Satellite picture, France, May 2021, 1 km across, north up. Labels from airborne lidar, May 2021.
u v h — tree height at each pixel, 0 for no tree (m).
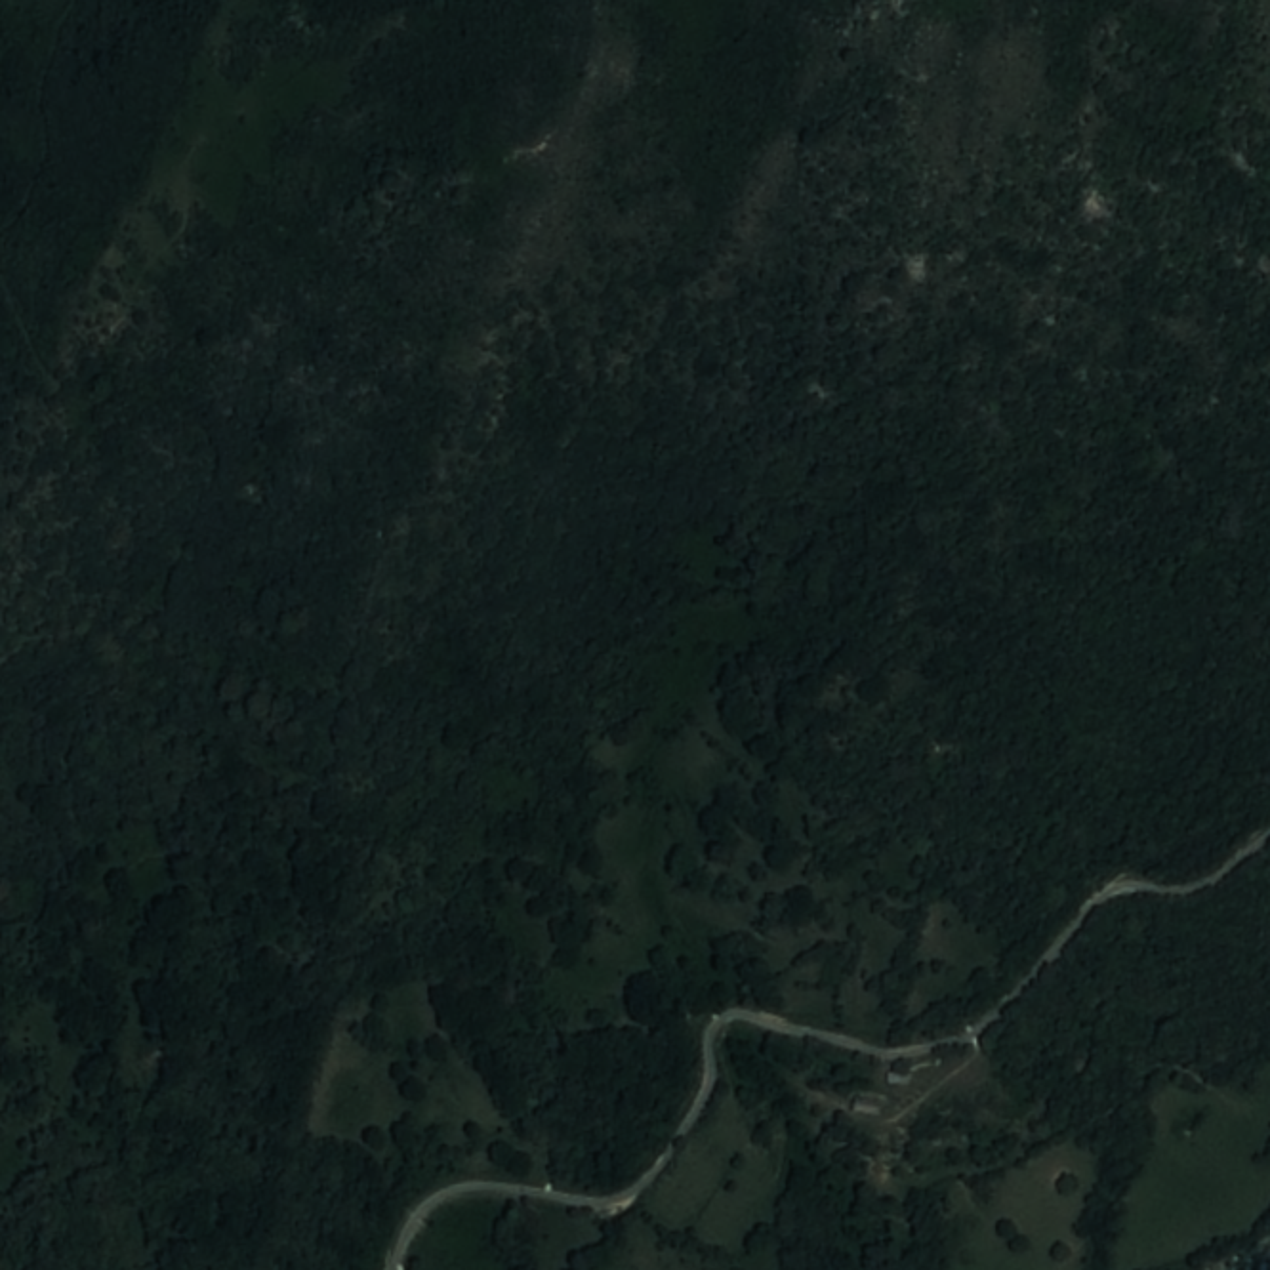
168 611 7
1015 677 10
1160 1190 0
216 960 13
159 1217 15
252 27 6
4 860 9
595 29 0
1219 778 11
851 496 8
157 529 9
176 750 20
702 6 0
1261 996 13
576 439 6
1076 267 7
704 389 8
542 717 16
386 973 17
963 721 8
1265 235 10
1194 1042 13
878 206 6
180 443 7
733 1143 0
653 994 26
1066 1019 12
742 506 13
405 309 8
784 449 16
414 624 9
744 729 14
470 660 6
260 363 7
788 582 12
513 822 14
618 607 7
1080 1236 6
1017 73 0
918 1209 16
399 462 7
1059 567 7
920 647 13
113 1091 14
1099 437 10
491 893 16
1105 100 8
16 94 6
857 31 6
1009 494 8
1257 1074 12
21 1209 18
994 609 6
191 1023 16
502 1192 0
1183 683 9
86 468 6
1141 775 7
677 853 14
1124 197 7
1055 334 15
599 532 10
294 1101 14
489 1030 19
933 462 10
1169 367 9
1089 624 12
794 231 7
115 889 20
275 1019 11
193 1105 16
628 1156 15
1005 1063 13
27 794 14
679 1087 20
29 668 12
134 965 16
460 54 5
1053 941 10
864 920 0
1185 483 7
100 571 8
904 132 6
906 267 6
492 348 6
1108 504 13
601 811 12
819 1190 14
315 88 0
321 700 10
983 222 12
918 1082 0
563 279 7
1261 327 7
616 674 10
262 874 19
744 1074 15
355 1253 21
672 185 6
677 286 8
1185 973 9
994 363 8
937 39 0
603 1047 19
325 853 15
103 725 9
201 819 10
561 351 7
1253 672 9
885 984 11
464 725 17
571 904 19
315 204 6
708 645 8
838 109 5
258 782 18
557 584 9
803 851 10
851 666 17
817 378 9
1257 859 11
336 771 9
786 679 6
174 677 11
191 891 17
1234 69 8
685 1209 0
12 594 6
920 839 8
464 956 18
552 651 14
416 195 6
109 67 8
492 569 9
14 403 6
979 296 8
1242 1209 0
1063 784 11
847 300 6
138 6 8
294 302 7
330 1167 16
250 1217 9
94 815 12
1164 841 9
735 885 19
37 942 9
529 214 0
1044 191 12
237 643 9
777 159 0
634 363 6
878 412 7
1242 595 10
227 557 12
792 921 18
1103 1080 10
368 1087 0
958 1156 11
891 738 6
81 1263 17
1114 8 8
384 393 8
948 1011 12
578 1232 0
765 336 7
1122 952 11
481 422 10
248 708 13
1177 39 6
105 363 6
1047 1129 19
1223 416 11
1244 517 11
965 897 10
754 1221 0
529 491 7
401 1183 14
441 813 9
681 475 8
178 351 6
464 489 7
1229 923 12
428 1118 0
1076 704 9
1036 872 9
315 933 9
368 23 7
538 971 13
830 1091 14
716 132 7
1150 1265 0
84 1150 13
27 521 7
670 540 10
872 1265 21
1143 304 6
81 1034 21
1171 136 7
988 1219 0
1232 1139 0
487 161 0
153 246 0
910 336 8
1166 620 10
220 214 0
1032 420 7
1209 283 8
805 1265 17
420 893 16
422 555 6
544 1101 7
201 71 0
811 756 9
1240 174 7
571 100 0
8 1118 6
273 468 10
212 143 0
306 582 9
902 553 8
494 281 0
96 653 11
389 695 10
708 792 0
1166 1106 0
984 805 10
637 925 0
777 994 7
